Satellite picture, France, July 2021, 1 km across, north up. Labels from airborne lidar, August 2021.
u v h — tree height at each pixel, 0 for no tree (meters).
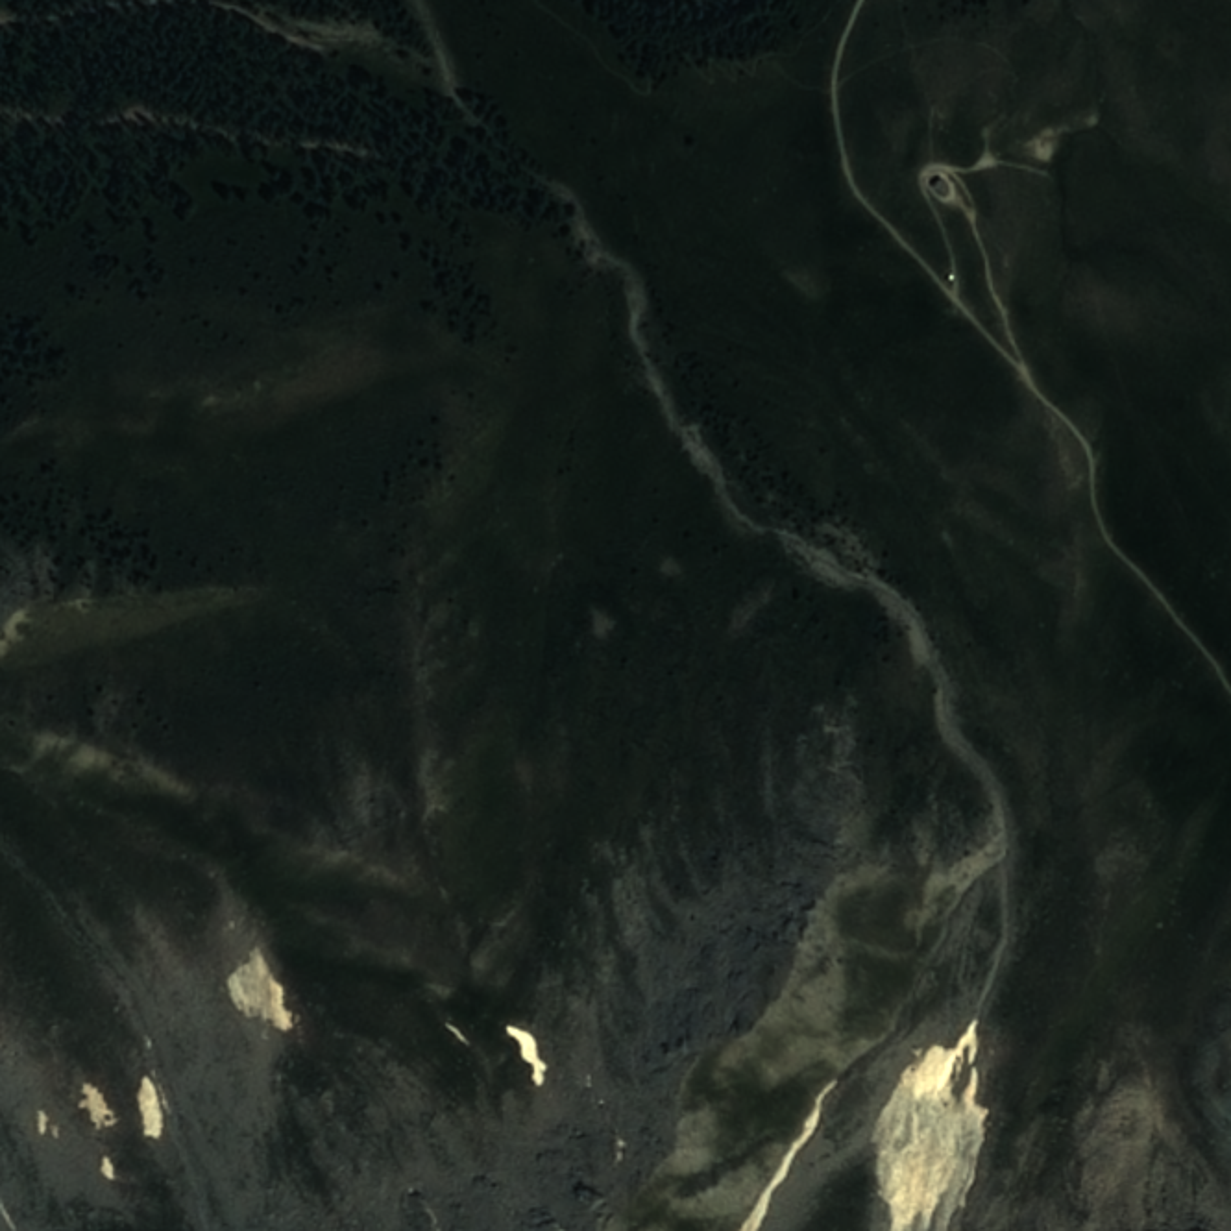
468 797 0
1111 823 0
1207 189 0
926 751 0
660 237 0
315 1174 0
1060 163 0
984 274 0
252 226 0
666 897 0
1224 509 0
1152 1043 0
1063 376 0
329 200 20
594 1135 0
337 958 0
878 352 0
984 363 0
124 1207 0
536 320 0
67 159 21
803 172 0
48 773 0
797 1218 0
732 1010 0
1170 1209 0
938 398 0
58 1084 0
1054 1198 0
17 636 0
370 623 0
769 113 0
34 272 0
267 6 7
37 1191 0
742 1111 0
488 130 11
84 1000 0
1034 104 0
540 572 0
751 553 0
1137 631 0
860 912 0
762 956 0
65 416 0
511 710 0
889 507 0
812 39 0
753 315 0
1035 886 0
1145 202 0
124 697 0
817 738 0
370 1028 0
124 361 0
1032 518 0
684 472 0
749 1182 0
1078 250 0
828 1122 0
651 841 0
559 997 0
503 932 0
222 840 0
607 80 0
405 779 0
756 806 0
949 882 0
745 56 12
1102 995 0
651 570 0
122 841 0
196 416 0
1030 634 0
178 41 24
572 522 0
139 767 0
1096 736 0
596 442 0
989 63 0
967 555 0
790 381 0
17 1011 0
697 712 0
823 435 0
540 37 0
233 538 0
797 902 0
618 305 0
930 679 0
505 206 24
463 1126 0
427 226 0
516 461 0
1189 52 0
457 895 0
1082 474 0
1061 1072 0
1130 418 0
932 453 0
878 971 0
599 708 0
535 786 0
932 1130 0
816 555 0
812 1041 0
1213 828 0
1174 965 0
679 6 18
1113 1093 0
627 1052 0
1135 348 0
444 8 0
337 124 20
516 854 0
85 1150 0
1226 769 0
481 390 0
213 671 0
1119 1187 0
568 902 0
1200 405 0
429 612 0
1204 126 0
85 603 0
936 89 0
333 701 0
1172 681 0
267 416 0
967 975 0
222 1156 0
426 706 0
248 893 0
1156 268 0
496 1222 0
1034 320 0
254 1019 0
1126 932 0
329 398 0
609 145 0
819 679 0
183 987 0
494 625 0
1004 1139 0
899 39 0
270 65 24
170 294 0
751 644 0
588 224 0
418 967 0
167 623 0
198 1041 0
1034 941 0
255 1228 0
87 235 7
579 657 0
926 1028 0
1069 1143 0
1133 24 0
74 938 0
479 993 0
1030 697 0
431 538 0
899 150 0
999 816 0
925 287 0
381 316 0
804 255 0
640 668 0
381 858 0
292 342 0
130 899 0
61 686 0
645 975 0
